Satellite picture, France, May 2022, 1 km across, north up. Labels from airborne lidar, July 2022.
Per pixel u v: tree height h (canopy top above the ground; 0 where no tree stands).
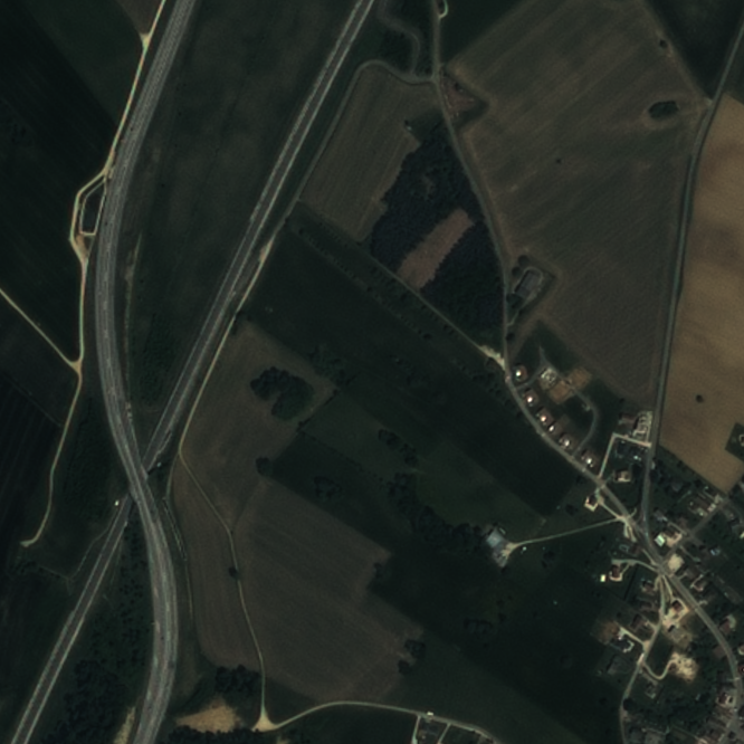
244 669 14
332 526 0
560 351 0
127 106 0
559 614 0
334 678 0
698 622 0
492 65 0
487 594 0
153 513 0
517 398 0
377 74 0
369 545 0
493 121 0
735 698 0
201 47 0
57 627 0
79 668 12
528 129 0
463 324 7
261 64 0
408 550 0
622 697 0
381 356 0
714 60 0
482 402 0
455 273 12
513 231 0
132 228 0
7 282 0
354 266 0
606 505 0
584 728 0
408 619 0
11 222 0
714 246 0
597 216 0
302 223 0
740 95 0
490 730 0
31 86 0
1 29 0
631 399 0
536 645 0
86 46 0
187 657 0
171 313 0
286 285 0
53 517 0
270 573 0
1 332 0
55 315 0
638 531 0
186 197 0
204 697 0
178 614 0
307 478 0
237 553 0
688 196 0
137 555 9
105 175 0
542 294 0
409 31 0
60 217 0
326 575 0
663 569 0
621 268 0
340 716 0
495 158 0
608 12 0
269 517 0
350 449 0
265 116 0
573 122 0
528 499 0
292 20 0
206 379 0
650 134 0
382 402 0
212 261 0
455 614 0
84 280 0
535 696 0
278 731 0
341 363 13
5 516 0
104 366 0
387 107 0
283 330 0
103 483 6
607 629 0
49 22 0
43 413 0
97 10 0
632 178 0
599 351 0
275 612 0
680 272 0
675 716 9
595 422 0
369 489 0
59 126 0
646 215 0
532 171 0
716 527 7
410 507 20
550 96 0
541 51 0
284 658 0
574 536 0
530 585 0
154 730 0
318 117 0
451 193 9
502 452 0
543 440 0
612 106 0
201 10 0
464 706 0
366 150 0
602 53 0
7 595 0
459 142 0
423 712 0
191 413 0
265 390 13
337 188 0
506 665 0
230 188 0
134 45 0
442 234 0
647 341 0
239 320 13
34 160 0
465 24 0
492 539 0
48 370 0
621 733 0
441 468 0
